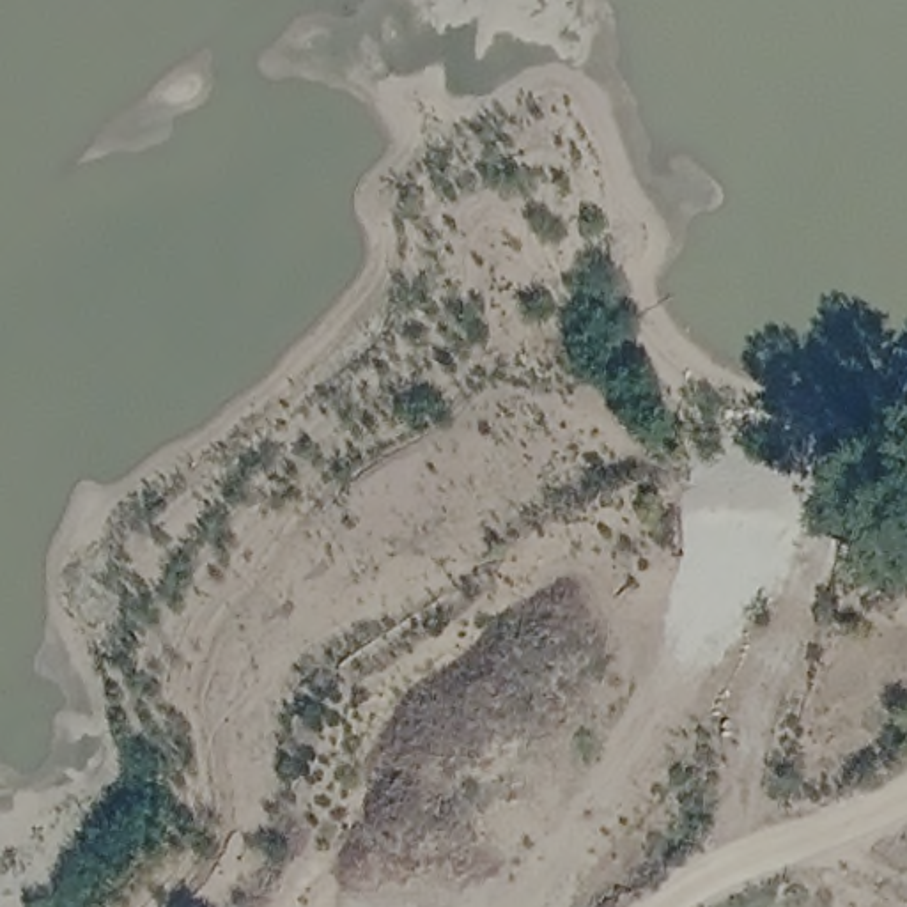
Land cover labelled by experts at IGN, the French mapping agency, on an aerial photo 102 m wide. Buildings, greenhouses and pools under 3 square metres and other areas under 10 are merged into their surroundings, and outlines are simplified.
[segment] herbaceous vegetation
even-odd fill
[[[670,818],[680,815],[677,783],[670,776],[663,783],[652,783],[652,794],[645,801],[634,801],[634,815],[620,815],[620,833],[609,833],[609,826],[599,829],[609,850],[588,847],[588,857],[595,857],[595,864],[588,868],[588,875],[578,875],[578,893],[570,907],[588,907],[602,893],[602,886],[624,882],[627,868],[638,868],[645,861],[648,833],[666,833]]]
[[[337,886],[361,900],[379,893],[383,882],[407,882],[415,868],[439,864],[450,864],[457,875],[468,875],[471,882],[485,882],[500,875],[500,857],[478,847],[475,811],[485,811],[492,801],[517,801],[514,772],[507,769],[517,762],[521,740],[556,737],[567,726],[567,709],[560,709],[560,698],[588,691],[588,684],[602,680],[609,666],[606,631],[599,620],[592,620],[578,578],[556,578],[553,585],[539,588],[535,595],[503,613],[478,616],[482,638],[461,659],[446,663],[443,670],[436,670],[432,677],[400,694],[376,748],[383,755],[383,772],[368,787],[361,818],[344,836],[337,861]]]
[[[496,35],[485,57],[475,57],[475,25],[439,32],[415,14],[411,0],[365,0],[347,18],[298,18],[259,57],[259,71],[266,78],[305,78],[347,92],[347,71],[361,53],[361,39],[376,43],[390,74],[418,74],[425,67],[443,67],[450,96],[482,96],[492,92],[500,81],[521,74],[524,67],[553,64],[556,53],[549,46],[521,43],[514,35]]]
[[[850,861],[787,868],[804,889],[829,886],[833,907],[907,907],[907,826],[900,833],[879,836],[868,847],[875,861],[872,872],[861,872]]]
[[[691,726],[670,726],[663,751],[673,762],[687,765],[694,755]]]
[[[836,578],[840,606],[857,613],[857,624],[850,627],[811,616],[815,592],[829,581],[829,574]],[[787,578],[779,581],[779,592],[769,599],[769,627],[755,627],[751,620],[744,624],[740,638],[726,648],[723,663],[705,670],[691,716],[698,716],[698,723],[726,716],[723,737],[712,737],[712,751],[726,755],[726,762],[716,765],[716,815],[702,847],[726,847],[769,826],[808,818],[822,808],[822,801],[772,801],[762,787],[762,776],[769,772],[765,762],[779,751],[783,719],[801,716],[801,772],[808,779],[840,776],[843,762],[854,751],[879,740],[886,726],[886,709],[907,705],[907,581],[879,578],[868,585],[857,570],[836,560],[833,539],[811,535],[808,528],[794,539]]]

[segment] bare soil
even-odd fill
[[[422,191],[425,216],[436,230],[436,252],[443,244],[454,244],[454,255],[443,266],[450,269],[450,280],[457,280],[461,298],[471,291],[482,294],[489,333],[464,358],[457,358],[454,368],[439,365],[425,376],[425,383],[443,393],[450,407],[450,425],[422,432],[404,457],[383,461],[372,475],[351,482],[351,500],[344,507],[319,510],[301,500],[291,500],[283,510],[262,514],[262,507],[241,503],[230,514],[230,546],[198,549],[198,556],[191,560],[191,581],[184,588],[181,609],[163,609],[159,624],[142,631],[135,648],[135,666],[145,677],[156,677],[163,698],[188,719],[195,769],[188,772],[184,794],[177,801],[191,808],[191,822],[198,829],[209,829],[216,836],[220,854],[167,854],[156,868],[159,886],[152,893],[131,893],[128,903],[106,907],[266,907],[280,886],[283,864],[248,847],[248,833],[283,833],[291,857],[298,857],[301,850],[326,850],[337,861],[344,836],[361,818],[368,787],[340,783],[337,769],[365,762],[376,748],[400,694],[432,677],[436,670],[443,670],[446,663],[461,659],[482,638],[478,616],[503,613],[535,595],[539,588],[553,585],[556,578],[578,578],[592,620],[599,620],[606,631],[609,666],[602,680],[588,684],[588,691],[560,698],[560,709],[567,709],[567,726],[556,737],[521,740],[517,762],[507,769],[514,772],[517,801],[531,797],[542,787],[556,787],[560,801],[570,804],[574,794],[585,787],[585,776],[592,762],[599,762],[602,740],[609,737],[613,723],[624,716],[624,709],[638,694],[638,684],[648,680],[652,666],[659,663],[666,609],[680,560],[670,556],[663,546],[652,546],[648,570],[641,570],[631,553],[616,549],[620,535],[641,531],[641,517],[634,510],[638,485],[659,489],[670,478],[691,478],[691,461],[702,457],[694,439],[680,443],[677,450],[666,450],[638,443],[606,407],[602,393],[570,372],[560,340],[560,322],[524,319],[517,305],[517,294],[524,287],[546,287],[553,301],[567,305],[570,294],[563,273],[574,269],[578,252],[606,252],[627,280],[631,301],[638,308],[638,344],[645,347],[659,376],[666,411],[673,411],[677,418],[702,422],[702,407],[694,400],[684,400],[680,386],[694,379],[712,383],[723,393],[723,411],[716,415],[719,450],[726,454],[737,443],[740,422],[762,422],[769,436],[769,454],[762,461],[776,471],[808,475],[808,464],[818,464],[822,457],[815,432],[808,425],[794,422],[790,415],[769,415],[758,393],[762,386],[748,372],[712,361],[698,344],[691,344],[691,337],[670,319],[666,305],[659,301],[659,276],[666,262],[684,248],[684,234],[698,213],[712,213],[723,205],[723,184],[712,174],[705,174],[691,156],[684,156],[673,142],[645,135],[638,99],[616,67],[616,18],[609,0],[411,0],[415,14],[439,32],[475,25],[475,57],[485,57],[496,35],[514,35],[521,43],[549,46],[556,53],[553,64],[524,67],[521,74],[500,81],[492,92],[482,96],[450,96],[443,67],[425,67],[418,74],[390,74],[376,43],[361,39],[361,53],[347,71],[347,92],[368,103],[390,135],[386,156],[365,174],[354,195],[354,213],[368,241],[358,280],[322,315],[322,322],[280,358],[280,365],[255,390],[237,397],[205,429],[163,446],[156,457],[149,457],[120,482],[78,485],[46,556],[50,620],[43,645],[35,652],[35,673],[60,687],[64,712],[53,723],[46,769],[32,776],[0,765],[0,907],[25,907],[57,893],[71,864],[89,854],[89,829],[103,829],[106,822],[113,822],[117,811],[128,808],[128,790],[117,783],[120,755],[106,723],[106,694],[89,655],[106,641],[120,606],[110,588],[103,588],[106,563],[103,535],[110,514],[120,503],[128,503],[131,492],[145,492],[159,475],[177,471],[184,475],[184,492],[159,510],[167,539],[156,546],[149,535],[131,531],[131,567],[145,581],[159,581],[167,556],[181,549],[181,539],[198,521],[198,514],[223,492],[223,478],[237,468],[241,454],[255,450],[266,439],[276,443],[298,443],[298,436],[312,436],[329,457],[347,454],[347,429],[337,415],[298,415],[298,404],[333,376],[340,361],[361,354],[376,333],[383,333],[386,291],[397,255],[393,205],[397,198],[411,198],[415,184]],[[528,227],[517,195],[503,188],[496,191],[482,181],[482,149],[478,135],[471,131],[471,120],[478,113],[489,113],[492,106],[503,106],[517,120],[507,128],[510,142],[500,149],[500,156],[510,156],[514,163],[556,167],[570,181],[570,191],[556,191],[556,184],[535,184],[535,202],[563,220],[560,241],[542,241]],[[454,202],[432,188],[432,177],[425,170],[425,145],[450,149],[446,174],[450,191],[457,195]],[[340,698],[326,698],[326,709],[337,709],[340,719],[354,726],[361,740],[358,751],[344,751],[340,726],[308,730],[305,719],[294,712],[291,702],[298,680],[305,680],[312,670],[319,684],[340,687]],[[312,748],[308,769],[319,772],[319,779],[276,779],[276,755],[294,755],[301,744]]]
[[[152,89],[124,113],[117,113],[110,124],[103,124],[96,142],[81,152],[85,163],[106,159],[113,152],[142,152],[163,145],[174,135],[174,117],[202,103],[213,71],[209,53],[195,53],[159,89]]]

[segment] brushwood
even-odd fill
[[[383,333],[376,333],[361,354],[340,361],[333,376],[298,404],[298,415],[337,415],[347,429],[347,454],[329,457],[312,436],[298,436],[298,443],[276,443],[273,461],[248,478],[241,503],[262,507],[262,514],[283,510],[291,500],[301,500],[319,510],[344,507],[351,500],[351,482],[372,475],[383,461],[404,457],[422,432],[397,418],[393,393],[407,390],[411,383],[425,383],[425,376],[439,365],[439,333],[464,333],[457,315],[446,308],[446,298],[461,298],[457,280],[450,280],[450,269],[443,266],[454,255],[454,244],[443,244],[436,252],[436,230],[425,216],[422,191],[415,184],[411,198],[397,198],[393,205],[397,255],[386,291]]]
[[[471,120],[471,131],[478,135],[482,149],[500,149],[510,142],[507,128],[517,120],[503,106],[492,106],[489,113],[478,113]]]
[[[684,864],[687,854],[702,847],[716,815],[716,765],[726,762],[726,755],[712,751],[712,737],[723,737],[726,716],[698,723],[698,716],[691,716],[691,726],[694,755],[687,765],[673,762],[670,776],[677,783],[680,815],[670,818],[666,833],[648,833],[645,861],[638,868],[627,868],[624,882],[602,886],[602,893],[588,907],[627,907],[641,893],[659,889],[670,868]]]
[[[432,177],[432,188],[454,202],[457,195],[450,191],[446,174],[450,149],[425,145],[425,170]]]
[[[340,687],[319,684],[312,670],[305,680],[298,680],[291,702],[294,712],[305,719],[308,730],[340,726],[344,751],[358,751],[361,740],[354,726],[340,719],[337,709],[326,709],[326,698],[340,698]]]
[[[854,790],[840,776],[808,779],[801,772],[801,716],[783,719],[779,751],[765,762],[769,772],[762,776],[762,787],[772,801],[822,801],[840,801]]]
[[[308,769],[312,748],[301,744],[294,755],[276,755],[276,779],[319,779],[319,772]]]
[[[680,386],[684,400],[694,400],[702,407],[702,422],[677,418],[673,425],[680,425],[680,443],[694,439],[702,457],[709,461],[719,450],[716,415],[723,411],[723,393],[712,383],[694,379]]]
[[[620,535],[616,549],[631,553],[641,570],[648,570],[652,546],[663,546],[670,556],[680,560],[680,510],[673,503],[663,503],[659,489],[638,485],[634,510],[641,517],[641,531]]]
[[[762,461],[769,454],[769,436],[762,422],[740,422],[737,443],[748,457]]]
[[[120,503],[110,514],[103,535],[106,563],[131,567],[131,531],[149,535],[156,546],[167,539],[159,510],[184,492],[184,475],[177,471],[159,475],[145,492],[131,492],[128,503]]]
[[[376,748],[365,762],[337,769],[340,783],[368,787],[383,772],[383,755]]]
[[[804,889],[787,868],[744,886],[740,893],[730,893],[726,900],[702,907],[833,907],[829,886]]]

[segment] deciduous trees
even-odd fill
[[[464,333],[439,333],[439,365],[454,368],[457,358],[464,358],[489,333],[482,294],[471,291],[461,298],[446,298],[446,308],[457,315]]]
[[[248,833],[248,847],[283,864],[291,857],[283,833]]]
[[[209,829],[198,829],[191,822],[191,808],[177,801],[184,794],[188,772],[195,769],[188,719],[163,698],[156,677],[145,677],[135,666],[135,648],[142,631],[159,624],[163,609],[181,609],[184,588],[191,581],[191,560],[198,556],[198,549],[230,546],[230,514],[241,503],[248,478],[273,461],[276,443],[266,439],[255,450],[241,454],[237,468],[223,478],[223,492],[198,514],[198,521],[181,539],[181,549],[167,556],[159,581],[145,581],[131,567],[106,563],[103,588],[110,588],[120,606],[106,641],[89,655],[106,694],[106,723],[120,755],[117,783],[128,790],[128,808],[117,811],[113,822],[106,822],[103,829],[89,829],[89,854],[71,864],[57,893],[25,907],[106,907],[128,903],[131,893],[152,893],[159,886],[156,868],[167,854],[220,854],[216,836]]]
[[[482,149],[482,181],[496,191],[503,188],[517,195],[528,227],[542,241],[560,241],[563,220],[535,202],[535,184],[556,184],[556,191],[570,191],[570,181],[556,167],[514,163],[510,156],[500,156],[500,149]]]
[[[857,624],[857,613],[840,606],[836,578],[829,574],[829,581],[815,592],[811,616],[850,627]]]
[[[546,287],[524,287],[517,294],[517,305],[524,319],[560,322],[560,340],[570,372],[602,393],[606,407],[638,443],[666,450],[677,450],[680,443],[680,425],[673,425],[677,418],[673,411],[666,411],[659,376],[645,347],[638,344],[638,308],[631,301],[627,280],[606,252],[578,252],[574,269],[563,273],[570,294],[567,305],[553,301]]]
[[[879,740],[854,751],[843,762],[840,776],[854,790],[875,790],[907,765],[907,705],[886,709],[886,726]]]
[[[822,457],[818,464],[808,464],[808,475],[815,478],[811,500],[804,503],[808,528],[811,535],[833,539],[836,560],[857,570],[868,585],[879,578],[907,581],[907,400],[889,404],[886,415],[875,418],[864,436],[843,439],[829,457]]]
[[[397,418],[422,432],[450,425],[450,407],[443,393],[425,383],[411,383],[407,390],[393,393]]]

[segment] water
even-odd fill
[[[358,280],[368,241],[354,213],[354,195],[365,174],[386,156],[390,135],[368,103],[347,92],[305,78],[266,78],[259,71],[259,57],[298,18],[347,18],[365,0],[0,0],[0,765],[32,776],[46,769],[53,723],[64,712],[60,687],[35,673],[35,652],[43,645],[50,620],[46,556],[78,485],[120,482],[149,457],[156,457],[163,446],[205,429],[237,397],[255,390],[280,365],[280,358],[322,322],[322,315]],[[85,163],[81,152],[96,142],[103,124],[110,124],[117,113],[124,113],[152,89],[159,89],[195,53],[209,53],[213,71],[202,103],[174,117],[174,135],[163,145],[142,152],[113,152],[106,159]]]
[[[616,18],[616,67],[638,99],[645,135],[673,142],[684,156],[691,156],[705,174],[712,174],[723,184],[723,205],[712,213],[698,213],[684,234],[684,248],[666,262],[659,276],[659,301],[666,305],[670,319],[691,337],[691,344],[698,344],[712,361],[748,372],[762,386],[758,393],[769,415],[790,415],[794,422],[808,425],[815,432],[822,457],[829,457],[843,439],[864,436],[875,418],[886,415],[889,404],[907,400],[907,0],[609,0]]]

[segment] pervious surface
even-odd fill
[[[861,872],[872,872],[875,861],[868,847],[879,836],[900,833],[907,826],[907,765],[875,790],[854,790],[840,801],[822,801],[822,808],[808,818],[769,826],[726,847],[702,847],[687,854],[684,864],[670,868],[659,889],[641,893],[627,907],[702,907],[726,900],[730,893],[740,893],[744,886],[787,868],[850,861]]]
[[[457,875],[450,864],[439,864],[415,868],[407,882],[383,882],[379,893],[361,900],[337,886],[337,861],[326,850],[301,850],[298,857],[291,857],[283,864],[280,886],[266,907],[570,907],[578,893],[578,875],[588,875],[588,868],[595,864],[595,857],[588,857],[588,847],[609,850],[599,829],[609,826],[609,833],[620,833],[620,815],[634,815],[634,801],[645,801],[652,794],[652,783],[663,783],[670,776],[673,762],[663,751],[670,726],[691,726],[691,716],[705,670],[723,663],[726,648],[740,638],[744,624],[751,620],[755,627],[769,627],[769,599],[779,592],[779,581],[787,578],[794,539],[808,528],[804,503],[811,500],[815,478],[808,475],[776,471],[762,461],[748,457],[737,443],[726,454],[719,450],[709,461],[702,457],[691,461],[691,478],[670,478],[659,489],[663,503],[673,503],[680,510],[680,560],[666,609],[659,663],[652,666],[648,680],[638,684],[638,694],[624,709],[624,716],[613,723],[609,737],[602,740],[599,762],[592,762],[585,776],[585,787],[574,794],[570,804],[560,801],[556,787],[542,787],[531,797],[517,801],[492,801],[485,811],[475,811],[478,847],[500,857],[500,875],[485,882],[471,882],[468,875]]]

